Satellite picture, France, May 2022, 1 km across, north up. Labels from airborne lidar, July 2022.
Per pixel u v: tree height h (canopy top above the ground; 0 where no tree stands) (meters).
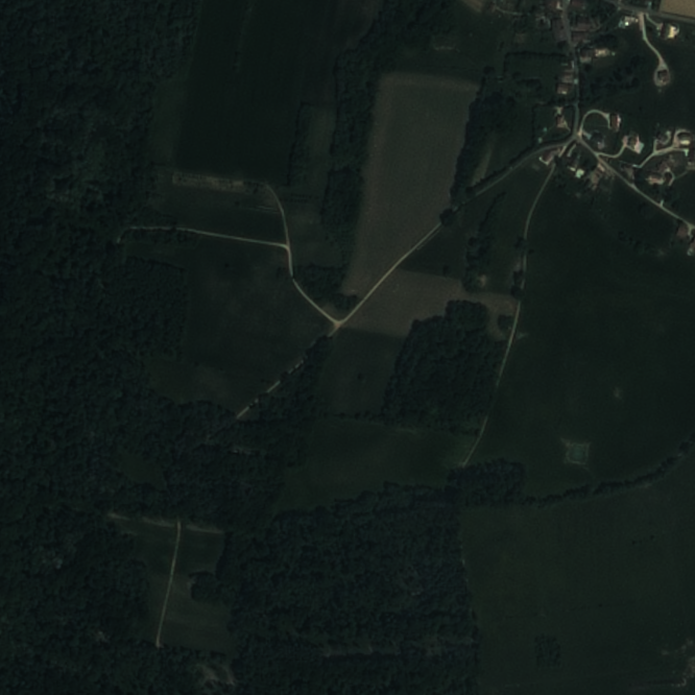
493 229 12
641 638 0
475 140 19
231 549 19
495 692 0
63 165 35
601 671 0
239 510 22
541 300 0
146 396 20
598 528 0
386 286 0
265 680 25
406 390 26
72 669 28
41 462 31
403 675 30
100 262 30
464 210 7
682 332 0
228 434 17
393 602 27
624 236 10
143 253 0
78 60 26
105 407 33
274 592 30
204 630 0
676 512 0
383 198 0
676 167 0
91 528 23
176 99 0
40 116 24
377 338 0
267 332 0
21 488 37
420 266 0
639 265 0
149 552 0
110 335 29
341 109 14
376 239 0
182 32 8
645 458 0
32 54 28
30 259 33
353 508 19
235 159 0
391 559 33
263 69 0
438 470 0
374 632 29
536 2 0
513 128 8
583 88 13
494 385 18
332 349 7
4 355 34
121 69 14
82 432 27
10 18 26
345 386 0
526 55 10
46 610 30
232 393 0
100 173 29
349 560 23
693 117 0
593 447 0
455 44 0
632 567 0
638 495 0
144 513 30
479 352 18
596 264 0
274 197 0
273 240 0
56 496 10
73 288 35
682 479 0
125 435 25
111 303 22
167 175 0
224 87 0
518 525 0
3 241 29
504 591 0
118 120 24
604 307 0
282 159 0
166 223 7
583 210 0
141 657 20
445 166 0
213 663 11
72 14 24
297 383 12
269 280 0
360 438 0
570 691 0
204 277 0
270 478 17
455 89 0
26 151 32
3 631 35
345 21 0
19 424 15
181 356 9
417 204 0
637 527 0
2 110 32
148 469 0
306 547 7
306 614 32
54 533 26
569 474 0
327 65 0
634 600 0
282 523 26
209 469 27
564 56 7
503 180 0
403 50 13
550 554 0
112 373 29
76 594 22
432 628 24
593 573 0
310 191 0
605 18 9
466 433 10
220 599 19
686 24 0
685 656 0
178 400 0
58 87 26
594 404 0
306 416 24
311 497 0
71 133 31
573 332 0
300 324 0
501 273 0
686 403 0
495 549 0
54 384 24
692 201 0
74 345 35
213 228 0
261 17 0
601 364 0
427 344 15
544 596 0
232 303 0
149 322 28
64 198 26
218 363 0
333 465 0
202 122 0
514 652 0
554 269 0
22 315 31
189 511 23
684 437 0
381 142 0
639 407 0
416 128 0
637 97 0
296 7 0
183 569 0
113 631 35
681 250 0
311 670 27
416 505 41
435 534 28
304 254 0
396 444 0
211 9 0
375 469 0
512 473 20
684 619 0
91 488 26
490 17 0
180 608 0
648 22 0
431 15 15
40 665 30
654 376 0
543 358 0
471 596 19
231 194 0
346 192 17
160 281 21
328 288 12
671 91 0
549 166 0
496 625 0
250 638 25
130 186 26
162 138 0
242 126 0
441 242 0
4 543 36
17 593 32
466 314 24
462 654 24
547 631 0
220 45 0
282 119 0
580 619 0
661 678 0
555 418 0
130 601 25
